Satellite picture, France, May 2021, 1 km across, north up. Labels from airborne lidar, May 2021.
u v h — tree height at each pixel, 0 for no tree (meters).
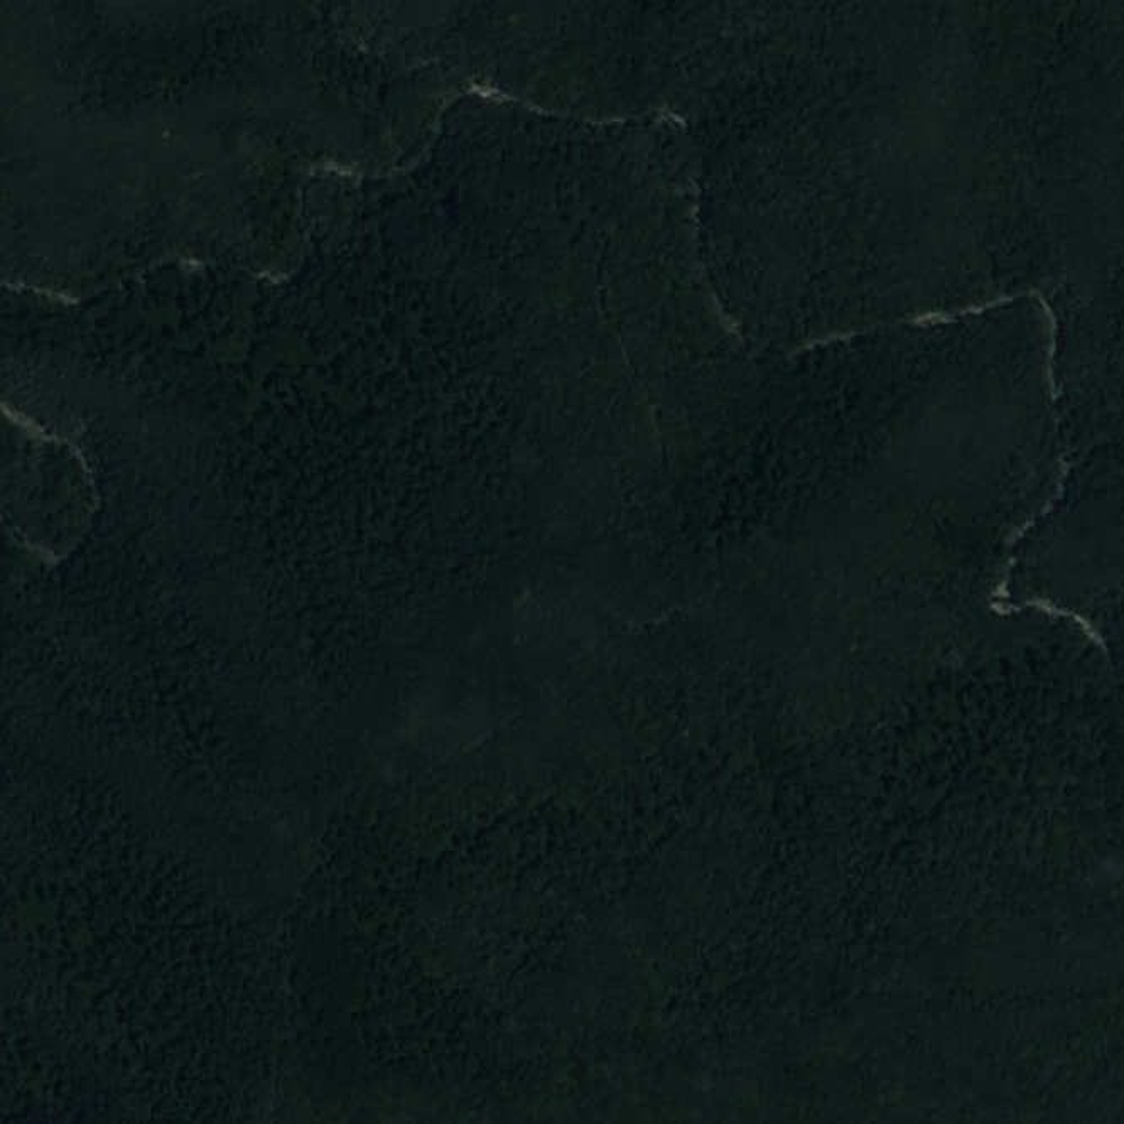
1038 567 11
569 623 8
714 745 19
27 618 12
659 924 12
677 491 18
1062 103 9
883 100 10
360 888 20
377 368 9
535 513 8
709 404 21
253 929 10
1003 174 10
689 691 13
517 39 7
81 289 17
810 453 10
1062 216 10
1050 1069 11
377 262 22
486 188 17
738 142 19
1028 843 15
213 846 10
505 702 7
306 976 17
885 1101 9
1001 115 14
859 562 8
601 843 14
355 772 10
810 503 17
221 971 18
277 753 9
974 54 10
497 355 13
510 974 7
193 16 13
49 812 12
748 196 20
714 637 11
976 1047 8
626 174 14
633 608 9
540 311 12
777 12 12
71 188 7
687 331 21
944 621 15
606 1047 13
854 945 16
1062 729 20
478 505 13
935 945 10
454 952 9
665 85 19
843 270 13
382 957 10
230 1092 17
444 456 20
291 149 18
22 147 6
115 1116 19
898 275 11
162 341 24
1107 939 9
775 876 19
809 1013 12
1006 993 14
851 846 11
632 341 14
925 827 20
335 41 22
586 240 16
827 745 19
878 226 12
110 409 8
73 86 7
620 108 21
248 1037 18
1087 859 12
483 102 17
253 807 9
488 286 12
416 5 7
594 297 14
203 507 11
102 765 10
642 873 13
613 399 12
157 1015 12
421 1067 14
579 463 6
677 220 23
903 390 17
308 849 19
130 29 12
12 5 8
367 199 15
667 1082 11
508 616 5
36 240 9
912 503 6
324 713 8
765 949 13
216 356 6
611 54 24
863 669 12
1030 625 14
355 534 13
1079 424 15
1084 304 8
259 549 18
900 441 8
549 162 18
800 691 9
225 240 16
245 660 7
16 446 16
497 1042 15
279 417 25
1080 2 12
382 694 9
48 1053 10
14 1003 9
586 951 9
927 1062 8
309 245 16
